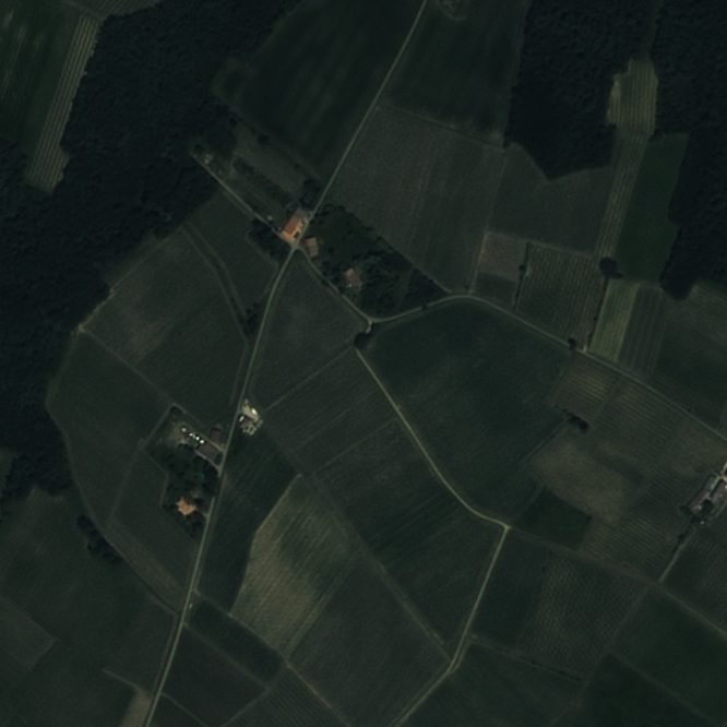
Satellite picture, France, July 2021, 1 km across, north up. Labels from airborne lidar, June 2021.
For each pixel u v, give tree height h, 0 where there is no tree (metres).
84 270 23
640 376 0
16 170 16
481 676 0
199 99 18
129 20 18
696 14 21
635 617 0
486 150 0
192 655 0
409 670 0
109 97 17
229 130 22
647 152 0
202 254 0
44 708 0
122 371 0
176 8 16
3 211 9
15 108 0
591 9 20
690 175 11
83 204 17
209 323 0
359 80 0
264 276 0
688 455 0
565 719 0
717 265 16
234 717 0
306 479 0
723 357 0
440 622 0
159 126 19
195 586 0
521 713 0
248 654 0
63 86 0
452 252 0
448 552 0
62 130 0
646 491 0
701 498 0
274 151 0
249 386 0
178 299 0
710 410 0
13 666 0
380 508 0
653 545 0
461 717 0
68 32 0
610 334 0
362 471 0
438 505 0
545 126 11
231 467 0
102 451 0
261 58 0
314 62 0
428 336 0
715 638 0
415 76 0
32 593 0
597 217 0
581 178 0
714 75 22
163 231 14
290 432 0
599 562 0
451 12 0
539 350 0
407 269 7
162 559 0
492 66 0
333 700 0
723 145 19
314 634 0
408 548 0
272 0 23
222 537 0
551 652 0
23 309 23
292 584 0
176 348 0
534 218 0
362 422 0
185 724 0
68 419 0
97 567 0
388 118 0
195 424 0
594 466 0
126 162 19
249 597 0
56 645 0
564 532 0
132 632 0
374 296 8
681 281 16
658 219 0
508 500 0
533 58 20
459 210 0
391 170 0
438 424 0
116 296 0
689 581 0
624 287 0
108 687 0
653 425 0
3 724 0
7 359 22
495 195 0
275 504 0
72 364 0
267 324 0
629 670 0
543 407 0
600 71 26
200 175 13
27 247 12
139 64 19
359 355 0
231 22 22
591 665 0
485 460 0
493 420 0
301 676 0
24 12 0
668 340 0
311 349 0
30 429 21
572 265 0
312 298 0
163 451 0
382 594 0
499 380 0
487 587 0
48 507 0
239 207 0
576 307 0
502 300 0
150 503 0
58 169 0
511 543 0
